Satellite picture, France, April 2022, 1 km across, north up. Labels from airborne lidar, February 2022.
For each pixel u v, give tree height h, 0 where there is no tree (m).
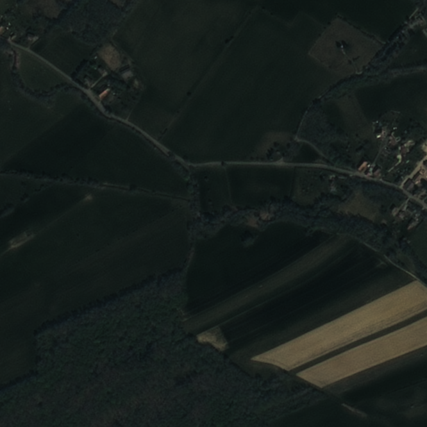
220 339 0
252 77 0
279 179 0
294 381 0
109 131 0
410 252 21
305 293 0
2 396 25
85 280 0
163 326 20
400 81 0
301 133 20
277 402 21
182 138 0
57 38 0
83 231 0
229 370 25
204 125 0
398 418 0
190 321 0
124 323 25
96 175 0
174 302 25
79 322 23
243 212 20
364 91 0
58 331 25
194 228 15
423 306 0
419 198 0
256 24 0
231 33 0
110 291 0
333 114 0
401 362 0
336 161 18
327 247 0
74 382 26
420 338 0
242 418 26
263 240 0
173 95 0
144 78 0
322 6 0
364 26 0
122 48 0
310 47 0
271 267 0
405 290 0
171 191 0
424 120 0
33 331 0
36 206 0
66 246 0
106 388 22
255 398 27
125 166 0
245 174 0
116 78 7
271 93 0
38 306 0
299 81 0
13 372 0
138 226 0
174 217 0
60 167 0
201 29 0
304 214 26
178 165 21
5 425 22
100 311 21
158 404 23
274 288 0
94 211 0
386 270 0
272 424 0
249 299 0
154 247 0
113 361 28
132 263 0
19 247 0
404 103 0
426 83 0
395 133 0
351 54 0
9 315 0
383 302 0
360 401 0
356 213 0
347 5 0
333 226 15
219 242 0
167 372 23
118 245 0
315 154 0
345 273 0
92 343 27
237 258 0
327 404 0
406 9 0
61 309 0
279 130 0
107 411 28
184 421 21
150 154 0
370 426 0
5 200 0
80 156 0
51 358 24
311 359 0
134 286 0
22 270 0
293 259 0
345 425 0
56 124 0
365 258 0
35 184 0
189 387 19
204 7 0
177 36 0
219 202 0
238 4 0
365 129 0
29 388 26
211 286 0
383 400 0
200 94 0
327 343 0
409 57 0
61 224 0
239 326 0
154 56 0
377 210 0
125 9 8
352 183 21
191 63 0
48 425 22
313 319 0
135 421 21
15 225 0
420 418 0
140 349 17
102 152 0
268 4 0
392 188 9
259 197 0
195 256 0
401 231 0
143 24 0
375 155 0
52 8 0
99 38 22
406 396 0
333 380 0
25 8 0
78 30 16
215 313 0
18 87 17
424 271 20
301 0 0
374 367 0
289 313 0
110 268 0
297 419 0
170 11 0
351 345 0
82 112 0
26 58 0
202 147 0
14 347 0
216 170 0
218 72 0
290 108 0
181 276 19
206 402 27
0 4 0
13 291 0
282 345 0
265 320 0
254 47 0
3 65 0
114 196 0
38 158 0
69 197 0
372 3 0
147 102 0
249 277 0
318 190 0
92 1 25
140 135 6
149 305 26
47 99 18
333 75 0
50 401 26
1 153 0
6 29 14
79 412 23
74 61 0
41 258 0
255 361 0
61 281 0
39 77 0
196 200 13
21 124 0
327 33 0
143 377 22
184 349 20
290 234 0
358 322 0
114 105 0
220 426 19
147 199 0
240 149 0
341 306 0
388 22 0
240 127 0
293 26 0
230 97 0
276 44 0
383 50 7
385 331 0
